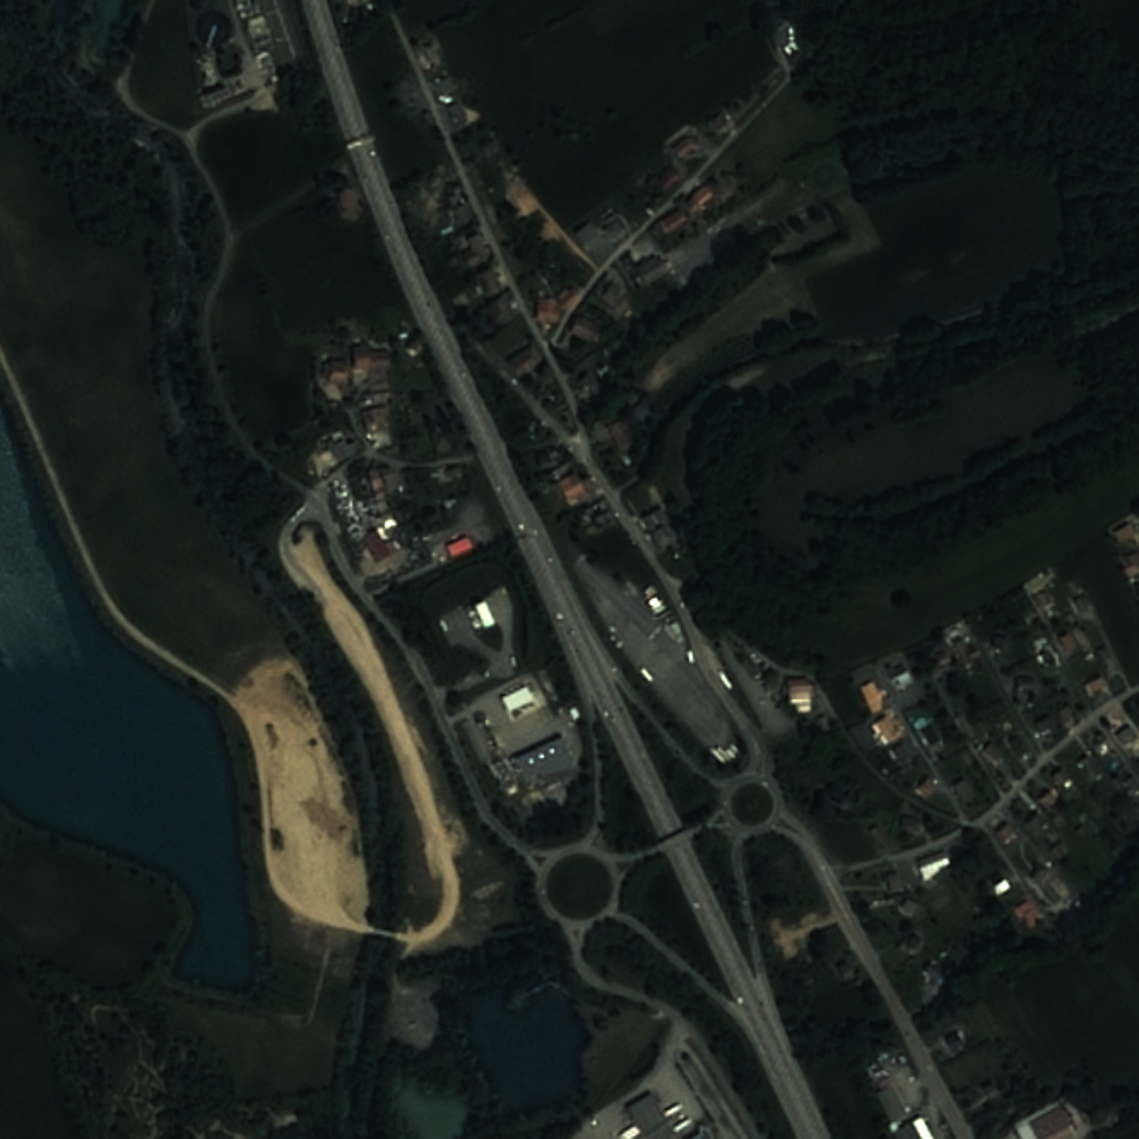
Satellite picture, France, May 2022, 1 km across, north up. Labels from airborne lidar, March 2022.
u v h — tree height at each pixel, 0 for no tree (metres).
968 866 19
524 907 9
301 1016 0
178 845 0
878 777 0
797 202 0
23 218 0
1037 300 21
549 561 0
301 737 0
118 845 0
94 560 0
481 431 0
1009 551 0
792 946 0
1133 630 0
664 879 0
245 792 0
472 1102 18
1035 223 0
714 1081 0
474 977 26
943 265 0
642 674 0
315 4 0
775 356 9
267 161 0
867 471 0
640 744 0
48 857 0
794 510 0
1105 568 0
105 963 0
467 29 0
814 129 0
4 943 0
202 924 0
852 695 0
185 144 0
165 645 0
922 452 0
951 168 24
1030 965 6
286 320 0
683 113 0
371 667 0
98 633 0
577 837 0
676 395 0
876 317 0
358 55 0
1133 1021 0
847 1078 0
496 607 0
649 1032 0
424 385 0
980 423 0
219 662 0
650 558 0
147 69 0
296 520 0
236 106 0
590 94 0
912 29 10
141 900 0
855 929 0
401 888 13
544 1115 14
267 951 0
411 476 7
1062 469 27
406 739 0
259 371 0
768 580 21
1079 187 17
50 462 0
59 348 0
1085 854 0
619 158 0
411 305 0
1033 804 0
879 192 26
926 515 21
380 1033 10
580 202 0
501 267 0
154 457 0
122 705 0
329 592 0
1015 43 31
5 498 0
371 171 0
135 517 0
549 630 9
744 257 27
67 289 0
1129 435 22
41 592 0
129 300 0
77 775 0
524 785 0
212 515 9
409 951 0
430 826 0
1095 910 25
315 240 0
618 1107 0
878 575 22
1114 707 0
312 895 0
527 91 0
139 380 0
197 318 7
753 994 0
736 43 0
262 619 0
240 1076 0
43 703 0
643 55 0
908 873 0
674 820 0
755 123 0
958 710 0
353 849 0
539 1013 0
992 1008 0
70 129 13
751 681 0
